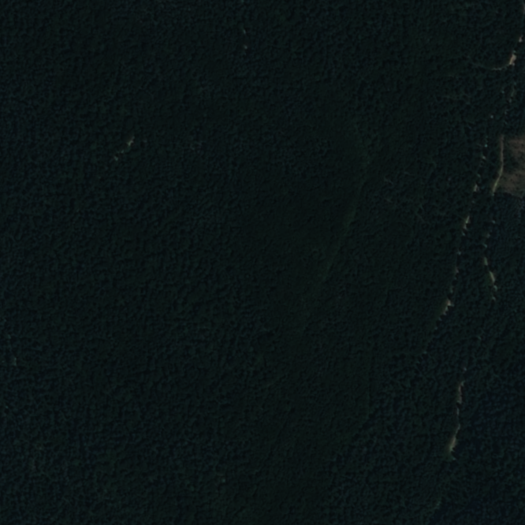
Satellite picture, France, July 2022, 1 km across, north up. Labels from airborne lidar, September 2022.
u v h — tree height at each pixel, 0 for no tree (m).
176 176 20
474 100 16
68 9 19
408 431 32
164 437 24
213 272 16
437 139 20
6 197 26
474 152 37
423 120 33
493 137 23
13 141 23
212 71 22
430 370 37
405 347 33
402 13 9
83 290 22
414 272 17
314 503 26
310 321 28
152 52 30
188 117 25
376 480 30
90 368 20
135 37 26
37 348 30
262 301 21
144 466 26
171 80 25
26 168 27
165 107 22
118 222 22
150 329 17
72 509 17
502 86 27
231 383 25
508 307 28
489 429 40
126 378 15
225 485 20
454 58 23
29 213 23
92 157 22
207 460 17
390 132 28
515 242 24
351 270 30
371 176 26
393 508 21
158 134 7
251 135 20
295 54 24
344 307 23
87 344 24
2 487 12
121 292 18
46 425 20
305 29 28
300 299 19
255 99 23
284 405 22
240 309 22
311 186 23
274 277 20
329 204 21
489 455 13
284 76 18
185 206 17
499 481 11
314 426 18
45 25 19
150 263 26
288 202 22
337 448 21
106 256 22
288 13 32
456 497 21
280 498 30
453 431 18
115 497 21
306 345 29
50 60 23
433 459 25
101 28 19
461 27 22
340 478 22
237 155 22
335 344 23
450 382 36
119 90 16
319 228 18
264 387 19
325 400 25
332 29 29
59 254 7
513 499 14
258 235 21
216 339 13
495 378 10
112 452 24
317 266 13
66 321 24
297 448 24
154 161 20
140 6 26
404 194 25
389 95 16
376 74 9
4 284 28
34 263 23
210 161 24
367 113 24
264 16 19
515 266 24
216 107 21
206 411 24
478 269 27
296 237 20
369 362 17
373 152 20
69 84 12
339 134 14
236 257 20
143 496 21
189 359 20
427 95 27
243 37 22
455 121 19
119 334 24
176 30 26
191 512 21
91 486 12
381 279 18
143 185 17
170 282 17
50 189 26
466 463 7
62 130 13
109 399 18
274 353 24
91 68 17
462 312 23
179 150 20
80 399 23
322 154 18
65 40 20
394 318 22
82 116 13
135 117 20
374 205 26
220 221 17
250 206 23
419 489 27
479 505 25
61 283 16
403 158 28
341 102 25
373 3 17
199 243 12
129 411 22
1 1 20
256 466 22
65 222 19
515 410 38
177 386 24
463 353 34
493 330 31
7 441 25
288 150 23
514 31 20
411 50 25
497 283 14
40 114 15
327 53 21
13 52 19
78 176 23
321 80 18
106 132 24
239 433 22
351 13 26
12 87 16
